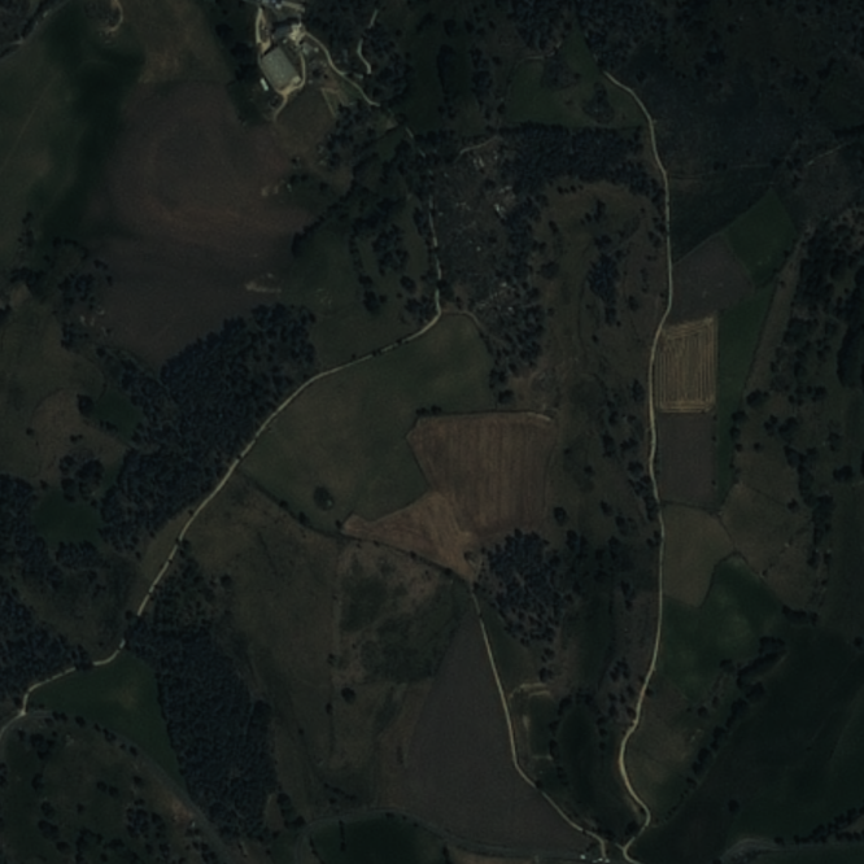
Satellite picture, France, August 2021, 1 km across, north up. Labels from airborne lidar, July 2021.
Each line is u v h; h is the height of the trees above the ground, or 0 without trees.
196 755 15
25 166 0
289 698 0
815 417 0
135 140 0
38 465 0
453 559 0
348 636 0
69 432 0
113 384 0
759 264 0
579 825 0
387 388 0
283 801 16
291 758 0
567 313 0
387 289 0
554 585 11
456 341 0
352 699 17
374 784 0
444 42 0
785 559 0
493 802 0
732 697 0
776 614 0
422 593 0
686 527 0
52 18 0
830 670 0
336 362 0
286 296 0
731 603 0
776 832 0
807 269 17
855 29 14
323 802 0
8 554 15
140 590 0
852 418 0
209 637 15
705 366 0
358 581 0
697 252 0
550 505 0
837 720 0
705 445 0
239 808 16
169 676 6
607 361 0
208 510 0
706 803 0
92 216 0
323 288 0
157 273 0
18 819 0
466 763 0
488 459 0
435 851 0
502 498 0
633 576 0
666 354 0
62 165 0
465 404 0
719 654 0
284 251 0
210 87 0
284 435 0
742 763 0
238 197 0
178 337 0
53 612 0
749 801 0
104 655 0
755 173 0
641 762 0
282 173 0
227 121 0
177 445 18
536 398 0
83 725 16
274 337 17
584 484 0
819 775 0
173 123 0
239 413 22
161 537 0
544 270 10
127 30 0
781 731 0
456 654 0
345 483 0
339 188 0
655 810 0
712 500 0
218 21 0
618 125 0
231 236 0
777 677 0
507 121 0
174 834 0
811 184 0
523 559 19
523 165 16
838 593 0
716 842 0
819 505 15
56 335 0
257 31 0
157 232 0
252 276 0
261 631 0
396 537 0
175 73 0
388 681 0
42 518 0
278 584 0
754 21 0
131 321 0
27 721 0
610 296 17
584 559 13
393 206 15
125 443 0
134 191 0
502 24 0
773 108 0
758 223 0
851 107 0
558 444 0
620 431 0
